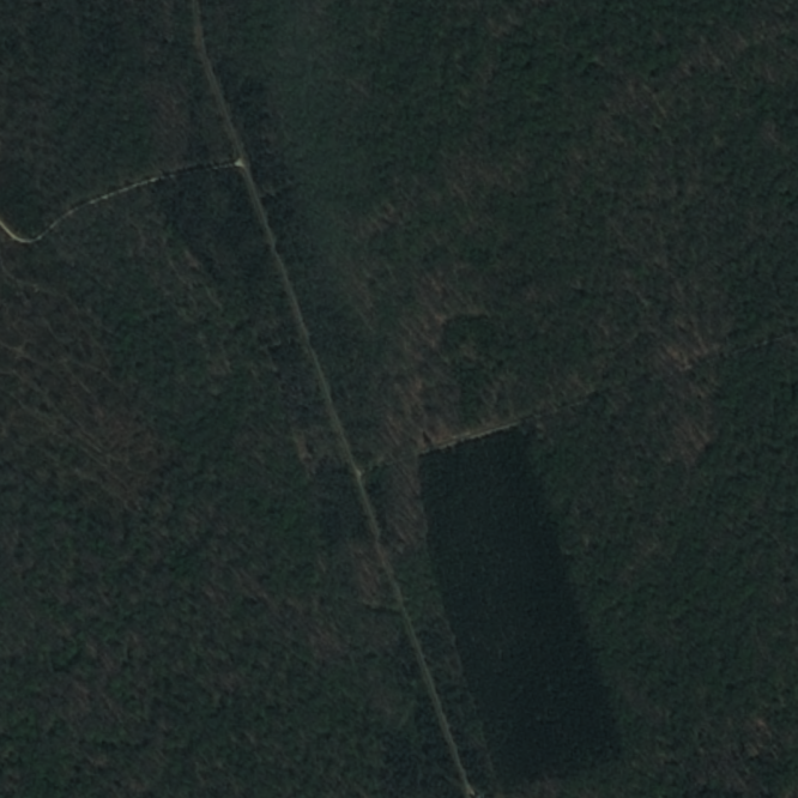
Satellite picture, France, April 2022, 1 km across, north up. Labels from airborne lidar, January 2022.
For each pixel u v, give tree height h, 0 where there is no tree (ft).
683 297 77
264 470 81
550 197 69
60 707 104
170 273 73
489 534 42
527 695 40
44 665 86
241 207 61
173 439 73
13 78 71
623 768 72
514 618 43
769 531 70
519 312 77
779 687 83
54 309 100
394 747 76
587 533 67
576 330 73
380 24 78
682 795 81
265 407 78
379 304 71
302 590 81
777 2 83
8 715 95
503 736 34
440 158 74
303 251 59
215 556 88
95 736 97
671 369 67
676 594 65
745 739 93
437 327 89
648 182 86
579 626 46
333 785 84
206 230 64
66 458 21
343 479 75
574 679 43
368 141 70
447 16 68
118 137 67
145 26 56
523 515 39
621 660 71
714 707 77
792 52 79
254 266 71
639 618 73
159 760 98
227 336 72
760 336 71
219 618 85
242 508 75
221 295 41
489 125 83
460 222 77
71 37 66
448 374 93
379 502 73
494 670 43
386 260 81
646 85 80
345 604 64
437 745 82
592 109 80
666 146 77
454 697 68
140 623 94
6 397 21
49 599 86
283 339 57
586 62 75
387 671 57
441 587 45
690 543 70
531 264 71
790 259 73
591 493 80
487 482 42
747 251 70
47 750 91
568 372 75
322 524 73
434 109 75
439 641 59
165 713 85
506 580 42
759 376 71
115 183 62
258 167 55
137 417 94
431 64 74
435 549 44
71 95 63
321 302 52
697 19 79
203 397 65
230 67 70
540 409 71
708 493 68
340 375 55
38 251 82
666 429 72
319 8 91
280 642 86
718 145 70
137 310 70
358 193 75
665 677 65
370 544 73
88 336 30
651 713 80
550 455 63
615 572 64
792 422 76
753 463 67
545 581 48
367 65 76
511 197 70
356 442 81
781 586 72
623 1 77
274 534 80
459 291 87
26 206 83
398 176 80
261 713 84
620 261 67
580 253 71
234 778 78
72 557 96
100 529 99
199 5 0
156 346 81
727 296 69
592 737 43
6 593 92
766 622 80
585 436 73
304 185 63
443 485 45
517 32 81
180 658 90
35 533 103
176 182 66
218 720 73
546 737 42
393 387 87
